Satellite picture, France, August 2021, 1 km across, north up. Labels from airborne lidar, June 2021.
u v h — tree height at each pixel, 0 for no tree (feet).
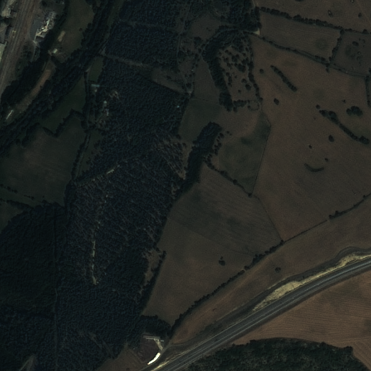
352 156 0
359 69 0
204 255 0
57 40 0
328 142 0
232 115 0
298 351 33
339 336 0
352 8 0
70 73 57
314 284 0
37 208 0
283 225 0
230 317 0
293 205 0
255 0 0
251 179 0
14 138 32
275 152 0
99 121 0
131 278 20
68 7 33
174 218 0
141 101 34
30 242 52
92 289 43
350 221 0
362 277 0
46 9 0
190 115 0
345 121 0
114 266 48
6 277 54
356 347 0
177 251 0
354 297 0
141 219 33
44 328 61
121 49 24
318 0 0
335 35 0
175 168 46
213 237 0
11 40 0
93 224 41
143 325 53
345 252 0
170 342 0
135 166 50
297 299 0
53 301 22
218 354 39
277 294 0
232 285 0
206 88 0
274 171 0
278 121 0
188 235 0
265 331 0
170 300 0
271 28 0
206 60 28
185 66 0
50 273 35
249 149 0
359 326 0
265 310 0
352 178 0
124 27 51
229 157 0
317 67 0
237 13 56
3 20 34
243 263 0
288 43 0
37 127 41
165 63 39
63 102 44
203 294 0
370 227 0
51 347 45
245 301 0
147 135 42
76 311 43
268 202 0
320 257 0
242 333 0
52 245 39
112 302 33
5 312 24
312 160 0
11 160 0
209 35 0
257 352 42
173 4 31
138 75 33
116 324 43
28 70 52
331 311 0
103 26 41
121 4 0
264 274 0
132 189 37
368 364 0
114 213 49
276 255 0
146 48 29
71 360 56
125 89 31
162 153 39
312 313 0
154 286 29
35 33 0
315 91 0
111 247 42
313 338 0
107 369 0
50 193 0
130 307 54
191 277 0
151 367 0
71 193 56
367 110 0
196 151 48
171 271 0
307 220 0
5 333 84
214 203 0
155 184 29
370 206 0
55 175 0
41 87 24
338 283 0
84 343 45
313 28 0
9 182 0
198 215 0
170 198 39
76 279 45
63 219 64
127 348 0
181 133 0
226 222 0
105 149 32
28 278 49
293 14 0
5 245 44
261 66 0
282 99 0
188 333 0
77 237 53
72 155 0
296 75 0
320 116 0
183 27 0
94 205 31
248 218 0
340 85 0
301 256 0
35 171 0
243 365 30
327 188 0
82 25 0
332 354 31
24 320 57
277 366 32
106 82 53
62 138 0
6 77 0
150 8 27
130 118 41
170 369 0
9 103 61
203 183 0
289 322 0
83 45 41
